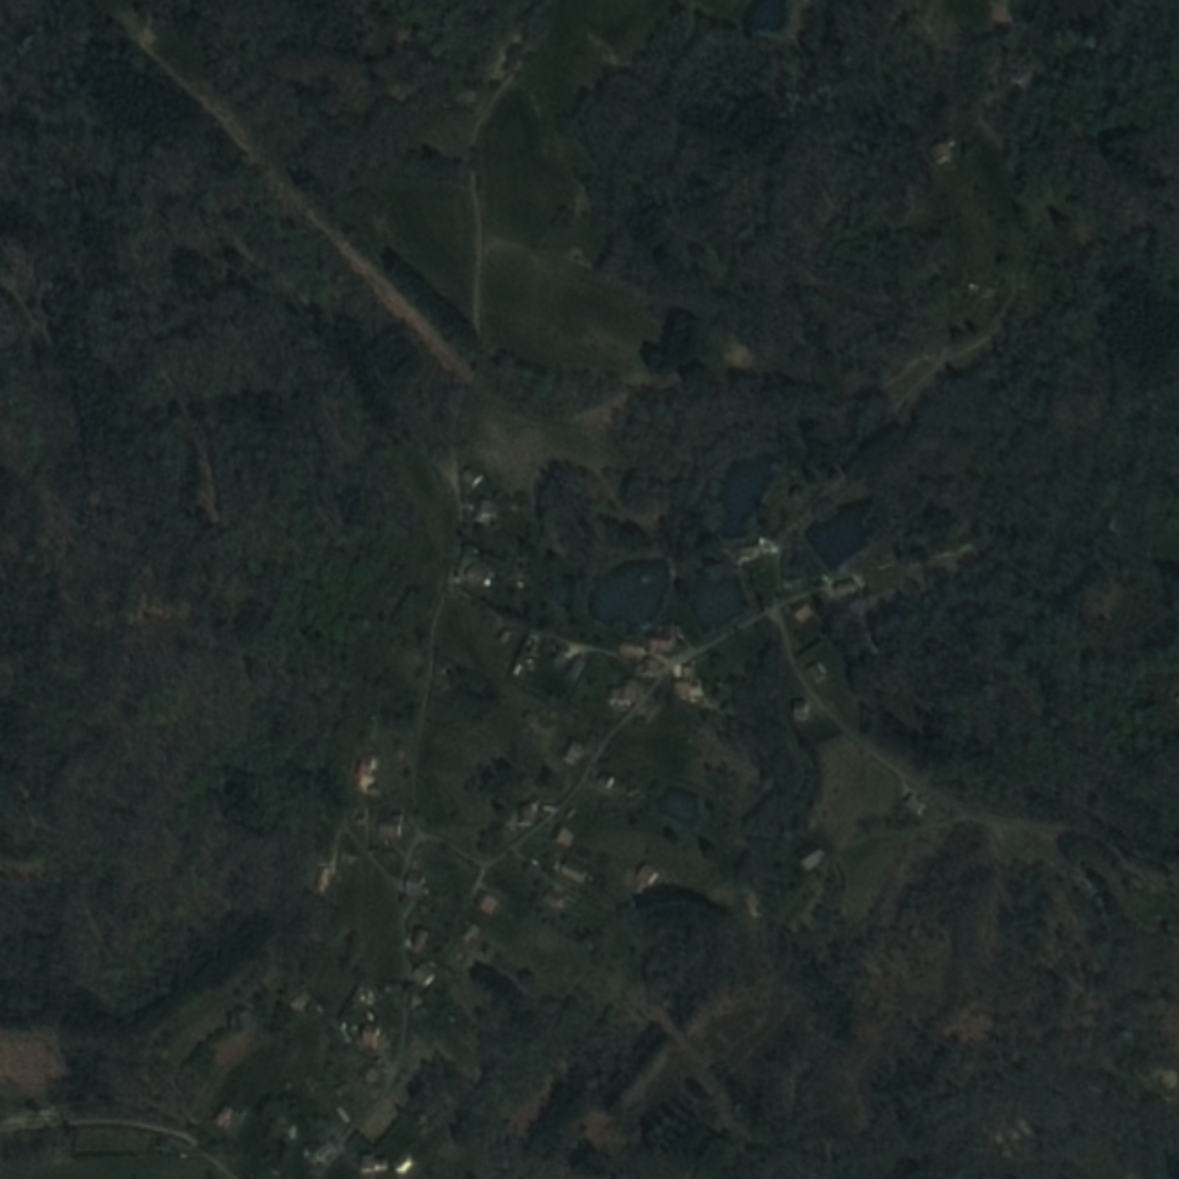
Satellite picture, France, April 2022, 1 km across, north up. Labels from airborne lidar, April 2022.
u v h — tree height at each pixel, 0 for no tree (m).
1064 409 35
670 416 25
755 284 10
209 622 31
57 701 22
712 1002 25
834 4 32
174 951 22
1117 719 14
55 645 25
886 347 19
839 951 9
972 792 18
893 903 0
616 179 21
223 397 31
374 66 20
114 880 24
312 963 12
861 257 25
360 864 0
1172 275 22
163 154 34
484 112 0
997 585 22
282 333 30
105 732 25
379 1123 0
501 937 0
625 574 0
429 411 19
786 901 11
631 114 22
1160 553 8
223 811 27
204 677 34
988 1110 14
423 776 0
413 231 0
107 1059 16
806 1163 19
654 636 0
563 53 0
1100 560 23
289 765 21
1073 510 11
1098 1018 7
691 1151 33
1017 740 22
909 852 0
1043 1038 6
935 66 16
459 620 0
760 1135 11
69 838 26
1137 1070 15
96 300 29
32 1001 17
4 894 22
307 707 22
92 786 28
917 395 0
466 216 0
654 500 21
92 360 25
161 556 34
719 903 0
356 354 15
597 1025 6
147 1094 23
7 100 12
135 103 37
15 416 29
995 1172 8
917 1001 0
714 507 16
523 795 0
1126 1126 22
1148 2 24
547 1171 13
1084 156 34
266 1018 22
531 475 0
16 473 21
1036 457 24
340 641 16
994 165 0
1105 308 23
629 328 0
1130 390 18
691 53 17
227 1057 0
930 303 19
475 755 0
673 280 28
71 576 30
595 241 0
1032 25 25
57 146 30
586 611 0
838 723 0
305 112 17
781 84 13
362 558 10
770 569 0
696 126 26
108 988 24
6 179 23
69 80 20
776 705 14
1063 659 25
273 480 31
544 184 0
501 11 24
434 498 0
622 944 0
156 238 28
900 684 17
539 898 9
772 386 19
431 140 0
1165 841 20
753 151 28
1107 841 25
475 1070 0
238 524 31
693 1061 0
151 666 32
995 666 25
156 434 21
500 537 13
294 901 25
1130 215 36
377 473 23
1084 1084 22
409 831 0
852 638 17
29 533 25
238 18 28
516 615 10
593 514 25
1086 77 17
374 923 0
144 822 25
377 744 0
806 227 30
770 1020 0
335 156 23
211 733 28
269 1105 15
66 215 20
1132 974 25
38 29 12
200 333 33
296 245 19
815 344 26
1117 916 28
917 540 18
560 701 8
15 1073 0
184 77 0
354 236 16
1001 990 8
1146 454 20
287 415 20
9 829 22
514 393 10
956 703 23
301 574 23
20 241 22
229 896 22
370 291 12
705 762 0
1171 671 17
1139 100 23
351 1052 10
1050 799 24
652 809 0
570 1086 8
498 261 0
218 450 30
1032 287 0
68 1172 0
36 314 24
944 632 26
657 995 24
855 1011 11
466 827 0
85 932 26
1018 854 0
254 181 27
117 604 18
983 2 0
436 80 17
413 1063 0
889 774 0
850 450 21
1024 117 24
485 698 7
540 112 0
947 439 21
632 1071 16
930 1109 22
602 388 15
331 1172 0
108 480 26
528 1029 27
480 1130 18
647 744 0
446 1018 7
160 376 36
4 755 21
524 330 0
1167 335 31
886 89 28
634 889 0
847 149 17
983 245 0
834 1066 0
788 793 19
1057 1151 20
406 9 23
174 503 30
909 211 23
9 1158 7
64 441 27
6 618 18
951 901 13
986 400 25
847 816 0
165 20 15
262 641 28
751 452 17
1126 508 20
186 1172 0
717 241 8
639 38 0
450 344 16
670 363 25
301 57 17
